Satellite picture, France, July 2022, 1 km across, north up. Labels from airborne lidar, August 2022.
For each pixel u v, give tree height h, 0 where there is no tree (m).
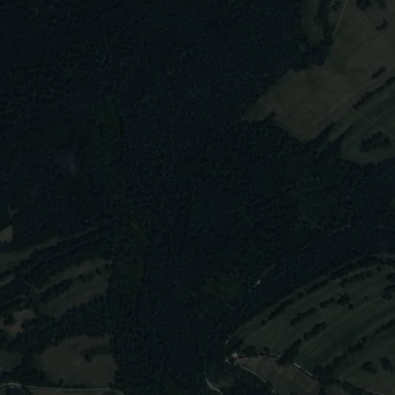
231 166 10
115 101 36
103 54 22
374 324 0
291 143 8
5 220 16
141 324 31
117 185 26
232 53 32
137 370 31
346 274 13
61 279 0
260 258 14
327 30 21
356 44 0
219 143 14
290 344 0
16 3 18
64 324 21
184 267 17
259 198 8
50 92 27
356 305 0
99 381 0
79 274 0
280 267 17
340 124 0
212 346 16
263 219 10
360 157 0
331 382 15
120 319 20
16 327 0
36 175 22
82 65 25
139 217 18
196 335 23
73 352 0
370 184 23
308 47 19
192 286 8
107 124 7
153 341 34
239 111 29
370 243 23
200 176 9
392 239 21
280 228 12
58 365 0
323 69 0
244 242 6
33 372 24
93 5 10
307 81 0
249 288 24
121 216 12
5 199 20
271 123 11
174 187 11
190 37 26
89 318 7
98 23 24
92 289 0
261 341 0
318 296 0
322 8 20
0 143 31
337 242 29
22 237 23
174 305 22
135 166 30
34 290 0
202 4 24
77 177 11
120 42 13
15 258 0
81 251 23
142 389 25
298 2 25
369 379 0
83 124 19
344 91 0
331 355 0
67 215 17
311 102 0
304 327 0
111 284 16
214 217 14
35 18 26
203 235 29
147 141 28
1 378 14
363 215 25
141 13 16
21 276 20
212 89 28
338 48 0
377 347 0
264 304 19
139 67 28
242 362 0
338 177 8
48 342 7
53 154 20
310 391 0
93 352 0
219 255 17
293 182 9
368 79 0
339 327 0
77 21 20
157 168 7
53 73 14
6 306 9
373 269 0
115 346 13
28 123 29
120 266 10
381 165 0
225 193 16
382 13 0
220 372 19
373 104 0
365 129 0
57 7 22
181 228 13
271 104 0
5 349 17
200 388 25
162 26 28
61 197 25
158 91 28
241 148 13
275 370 0
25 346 21
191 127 30
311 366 0
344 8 0
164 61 27
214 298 6
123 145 28
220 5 28
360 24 0
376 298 0
